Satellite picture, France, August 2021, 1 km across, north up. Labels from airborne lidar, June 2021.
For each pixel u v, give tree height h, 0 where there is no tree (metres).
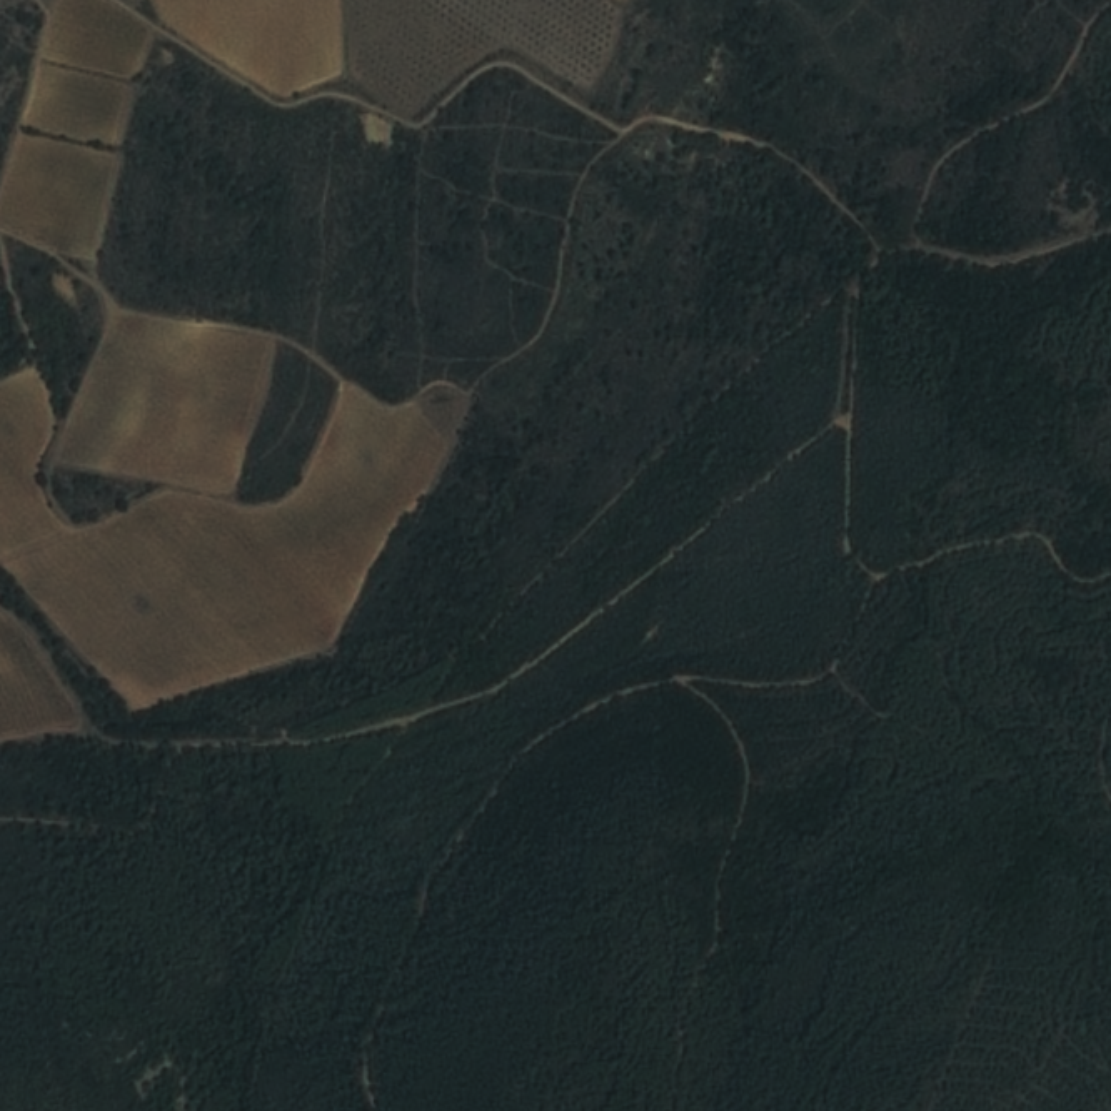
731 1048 13
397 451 0
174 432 0
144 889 9
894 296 15
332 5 0
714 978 8
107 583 0
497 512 9
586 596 6
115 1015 7
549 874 9
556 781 7
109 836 7
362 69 0
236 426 0
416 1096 9
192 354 0
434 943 11
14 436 0
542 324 0
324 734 6
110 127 0
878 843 9
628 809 9
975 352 10
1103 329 7
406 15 0
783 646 6
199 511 0
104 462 0
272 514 0
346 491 0
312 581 0
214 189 6
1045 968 6
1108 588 7
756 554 6
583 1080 7
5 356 8
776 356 9
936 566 6
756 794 6
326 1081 9
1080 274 9
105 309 0
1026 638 8
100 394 0
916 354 13
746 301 10
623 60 0
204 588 0
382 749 6
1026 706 7
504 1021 9
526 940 8
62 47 0
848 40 0
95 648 0
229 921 6
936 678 8
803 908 8
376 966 11
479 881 9
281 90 0
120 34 0
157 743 7
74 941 7
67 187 0
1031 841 9
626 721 6
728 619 7
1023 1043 6
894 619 7
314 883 14
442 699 6
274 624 0
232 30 0
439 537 6
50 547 0
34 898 6
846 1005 9
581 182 0
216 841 7
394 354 6
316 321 0
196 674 0
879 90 0
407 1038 7
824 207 6
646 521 7
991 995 6
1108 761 7
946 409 8
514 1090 7
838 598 8
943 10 0
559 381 7
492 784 8
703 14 0
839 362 8
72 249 0
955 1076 6
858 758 7
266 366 0
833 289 8
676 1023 9
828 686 8
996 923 8
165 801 11
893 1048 6
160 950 11
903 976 7
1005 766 9
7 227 0
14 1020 7
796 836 11
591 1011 10
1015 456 6
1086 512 7
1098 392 8
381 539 0
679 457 7
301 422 0
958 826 7
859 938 9
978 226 9
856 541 6
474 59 0
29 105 0
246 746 7
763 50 7
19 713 0
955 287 8
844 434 5
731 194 10
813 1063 10
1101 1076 6
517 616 6
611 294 7
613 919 10
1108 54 9
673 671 8
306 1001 21
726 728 7
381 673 11
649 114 0
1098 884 8
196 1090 7
